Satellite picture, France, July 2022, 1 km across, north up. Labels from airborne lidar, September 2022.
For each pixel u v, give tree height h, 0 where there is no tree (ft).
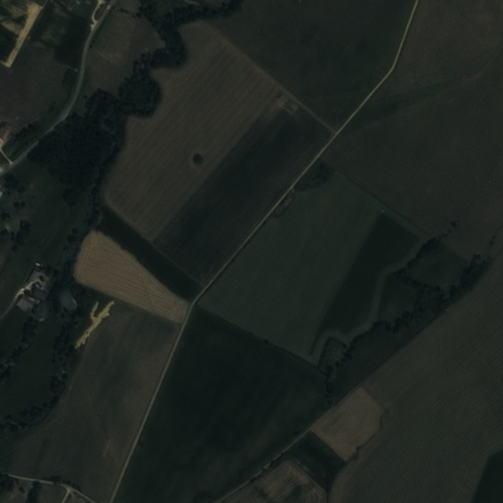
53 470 0
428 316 0
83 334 0
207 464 0
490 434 0
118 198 0
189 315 0
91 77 0
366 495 0
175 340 0
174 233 0
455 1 0
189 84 0
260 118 0
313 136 0
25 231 55
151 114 40
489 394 0
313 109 0
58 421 0
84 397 0
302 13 0
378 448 0
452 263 0
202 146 0
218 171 0
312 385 0
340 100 0
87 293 99
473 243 0
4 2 0
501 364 0
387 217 0
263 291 0
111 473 0
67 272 45
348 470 0
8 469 0
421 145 0
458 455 0
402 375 0
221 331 0
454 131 0
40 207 0
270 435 0
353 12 0
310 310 0
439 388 0
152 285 0
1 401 0
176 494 0
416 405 0
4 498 0
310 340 0
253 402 0
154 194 0
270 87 0
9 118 0
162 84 0
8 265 0
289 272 0
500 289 0
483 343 0
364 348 0
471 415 0
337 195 0
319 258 0
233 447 0
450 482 0
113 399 0
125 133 0
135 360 0
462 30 0
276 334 0
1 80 0
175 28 49
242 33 0
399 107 0
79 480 0
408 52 0
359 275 0
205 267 0
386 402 0
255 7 0
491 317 0
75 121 49
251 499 0
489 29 0
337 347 0
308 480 0
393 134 0
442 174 0
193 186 0
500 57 0
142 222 0
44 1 0
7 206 0
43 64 0
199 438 0
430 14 0
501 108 0
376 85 0
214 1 0
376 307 0
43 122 0
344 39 0
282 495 0
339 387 0
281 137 0
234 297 0
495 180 0
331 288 0
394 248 0
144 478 0
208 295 0
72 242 57
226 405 0
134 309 0
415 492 0
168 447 0
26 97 0
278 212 0
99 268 0
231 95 0
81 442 0
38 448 0
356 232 0
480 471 0
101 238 0
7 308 0
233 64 0
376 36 0
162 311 0
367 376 0
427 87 0
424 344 0
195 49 0
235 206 0
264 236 0
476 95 0
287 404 0
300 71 0
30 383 0
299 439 0
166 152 0
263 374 0
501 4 0
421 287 34
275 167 0
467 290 43
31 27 0
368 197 0
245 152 0
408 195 0
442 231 0
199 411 0
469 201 0
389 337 0
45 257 0
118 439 0
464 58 0
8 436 0
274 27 0
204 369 0
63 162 81
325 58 0
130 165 0
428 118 0
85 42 0
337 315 0
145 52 0
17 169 0
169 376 0
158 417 0
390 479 0
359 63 0
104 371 0
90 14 0
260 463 0
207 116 0
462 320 0
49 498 0
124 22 0
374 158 0
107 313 0
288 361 0
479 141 0
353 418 0
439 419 0
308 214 0
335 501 0
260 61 0
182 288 0
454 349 0
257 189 0
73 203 45
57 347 46
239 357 0
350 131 0
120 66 0
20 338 0
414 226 0
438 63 0
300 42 0
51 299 34
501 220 0
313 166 0
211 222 0
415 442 0
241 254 0
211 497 0
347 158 0
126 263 0
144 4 53
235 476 0
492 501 0
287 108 0
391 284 0
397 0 0
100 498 0
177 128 0
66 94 0
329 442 0
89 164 90
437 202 0
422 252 36
